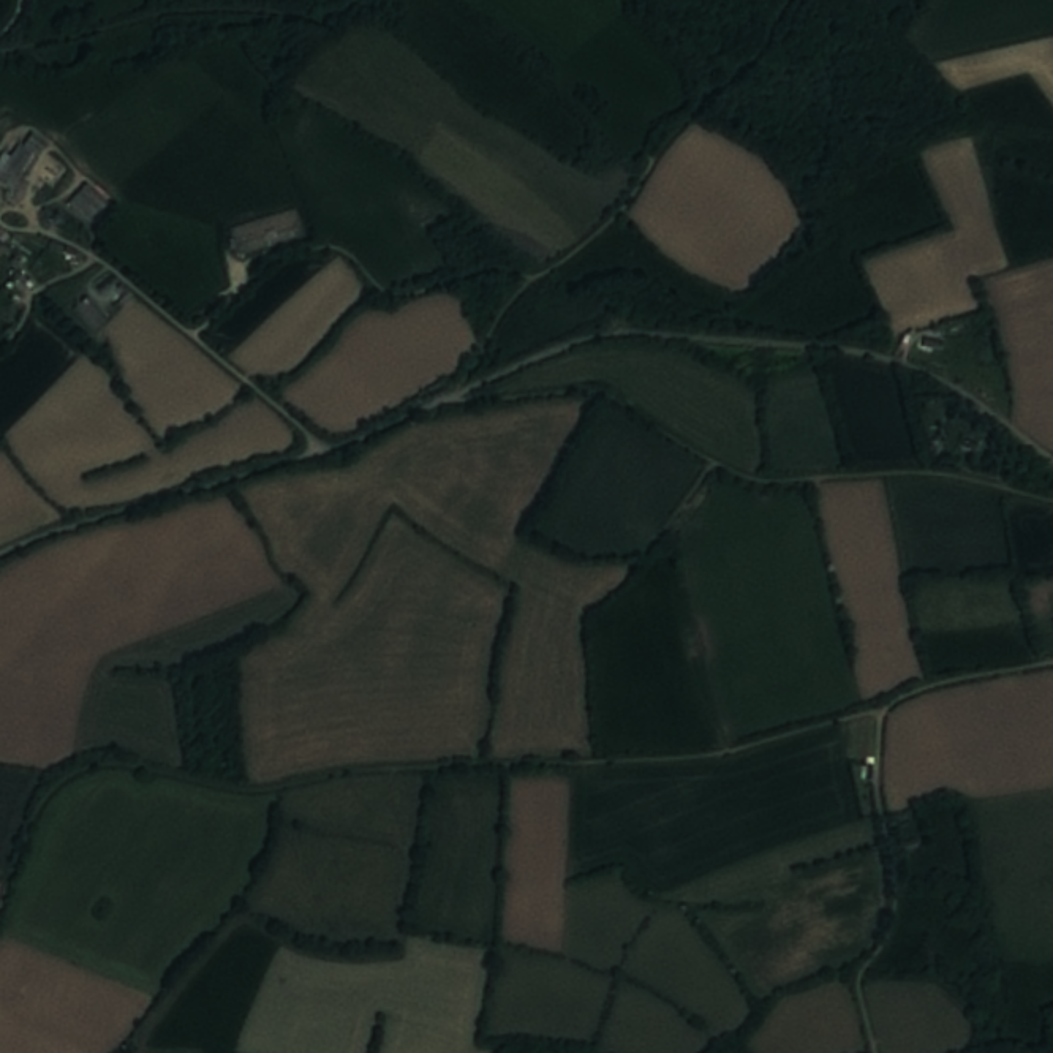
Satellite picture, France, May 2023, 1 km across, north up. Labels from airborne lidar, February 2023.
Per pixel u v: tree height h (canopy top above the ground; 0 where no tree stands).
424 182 9
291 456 6
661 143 9
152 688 0
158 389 0
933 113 13
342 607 0
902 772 0
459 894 0
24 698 0
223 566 0
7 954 0
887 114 11
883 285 0
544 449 0
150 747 0
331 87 0
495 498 0
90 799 0
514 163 0
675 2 16
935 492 0
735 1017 0
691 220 0
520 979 0
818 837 0
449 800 0
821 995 0
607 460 0
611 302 19
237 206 0
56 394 0
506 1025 0
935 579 14
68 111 0
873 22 18
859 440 0
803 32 16
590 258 0
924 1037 0
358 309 9
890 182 0
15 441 0
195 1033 0
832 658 0
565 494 0
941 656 0
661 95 0
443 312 0
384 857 0
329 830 0
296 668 0
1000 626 0
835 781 0
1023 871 0
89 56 21
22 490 0
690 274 6
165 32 9
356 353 0
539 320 0
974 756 0
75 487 0
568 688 0
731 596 0
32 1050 0
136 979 0
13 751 0
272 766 0
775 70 13
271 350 0
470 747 0
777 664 0
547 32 0
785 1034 0
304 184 0
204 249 0
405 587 0
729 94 12
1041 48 0
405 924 11
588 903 0
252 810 0
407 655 0
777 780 0
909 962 0
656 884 0
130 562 0
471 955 0
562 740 0
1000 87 0
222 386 0
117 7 0
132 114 0
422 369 0
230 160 0
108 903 0
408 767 0
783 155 10
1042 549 0
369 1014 0
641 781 0
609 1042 0
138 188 0
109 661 0
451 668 0
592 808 0
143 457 6
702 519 0
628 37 0
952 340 0
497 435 0
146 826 0
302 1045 0
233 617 0
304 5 11
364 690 0
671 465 0
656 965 0
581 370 0
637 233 6
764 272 11
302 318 0
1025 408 0
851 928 0
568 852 0
